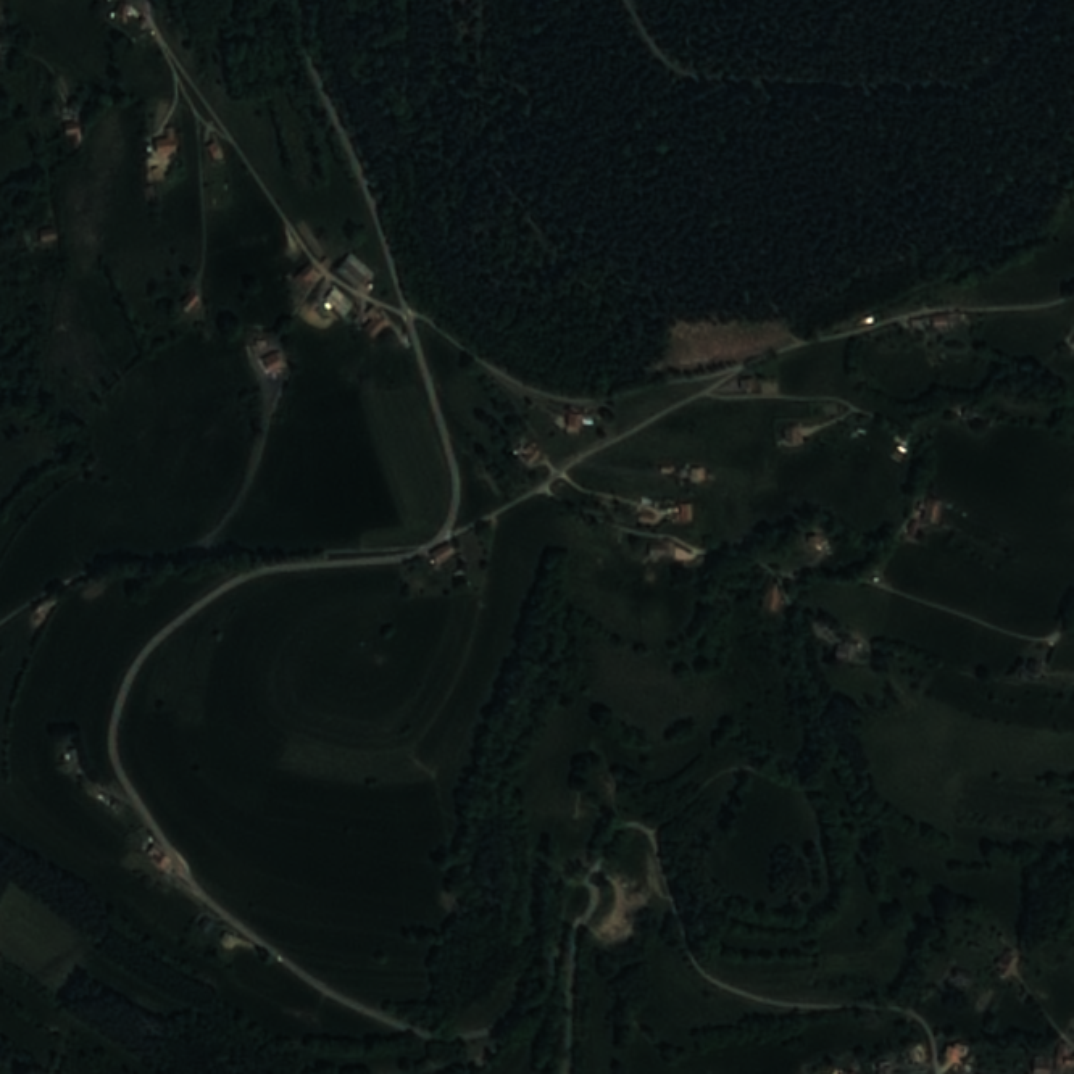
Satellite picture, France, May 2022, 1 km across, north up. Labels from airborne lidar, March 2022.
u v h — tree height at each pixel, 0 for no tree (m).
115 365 0
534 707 20
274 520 0
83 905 25
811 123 30
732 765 0
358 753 0
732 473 0
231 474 0
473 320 18
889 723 0
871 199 29
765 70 25
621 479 0
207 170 0
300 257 0
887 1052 16
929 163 27
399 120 26
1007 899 0
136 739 0
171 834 0
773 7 28
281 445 0
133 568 19
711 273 27
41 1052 0
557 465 0
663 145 24
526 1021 19
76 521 0
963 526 0
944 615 0
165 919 0
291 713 0
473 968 17
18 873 22
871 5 25
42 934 0
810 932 19
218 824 0
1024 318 0
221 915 0
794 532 25
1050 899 24
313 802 0
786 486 0
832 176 26
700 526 0
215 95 0
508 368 17
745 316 31
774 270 30
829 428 0
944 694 0
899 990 16
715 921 17
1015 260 27
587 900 0
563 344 10
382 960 10
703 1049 11
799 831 0
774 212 26
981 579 0
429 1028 7
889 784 0
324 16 25
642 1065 0
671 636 0
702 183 24
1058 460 0
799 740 0
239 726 0
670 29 21
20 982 9
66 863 0
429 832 0
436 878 0
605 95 21
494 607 0
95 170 0
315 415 0
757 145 29
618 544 0
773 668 0
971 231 24
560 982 10
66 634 0
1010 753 0
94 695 0
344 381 0
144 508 0
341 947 0
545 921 24
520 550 0
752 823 0
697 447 0
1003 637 0
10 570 0
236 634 0
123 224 0
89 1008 28
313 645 0
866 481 0
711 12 16
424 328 0
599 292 9
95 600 0
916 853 0
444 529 0
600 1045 0
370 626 0
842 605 0
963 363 0
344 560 0
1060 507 0
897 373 0
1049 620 0
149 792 0
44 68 0
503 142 11
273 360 0
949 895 22
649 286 25
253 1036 11
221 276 0
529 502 0
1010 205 28
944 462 0
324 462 0
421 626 0
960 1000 23
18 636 0
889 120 26
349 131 15
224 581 0
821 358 0
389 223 8
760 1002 0
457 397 0
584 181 25
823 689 26
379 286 0
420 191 21
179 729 0
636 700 0
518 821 19
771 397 0
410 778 0
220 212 0
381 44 18
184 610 0
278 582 0
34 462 0
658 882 0
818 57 28
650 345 18
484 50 11
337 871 0
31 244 0
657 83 23
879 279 10
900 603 0
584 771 20
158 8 13
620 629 0
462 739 0
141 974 15
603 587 0
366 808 0
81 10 0
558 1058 19
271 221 0
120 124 0
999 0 26
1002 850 14
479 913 17
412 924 0
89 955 0
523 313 13
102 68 0
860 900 0
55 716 0
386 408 0
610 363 15
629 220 26
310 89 17
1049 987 0
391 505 0
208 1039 10
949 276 14
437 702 0
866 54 26
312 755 0
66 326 0
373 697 0
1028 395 16
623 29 22
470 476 0
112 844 0
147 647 0
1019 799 0
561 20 23
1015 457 0
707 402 0
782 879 13
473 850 16
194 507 0
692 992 0
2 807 0
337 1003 0
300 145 0
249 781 0
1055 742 0
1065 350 10
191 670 0
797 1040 17
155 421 0
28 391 21
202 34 17
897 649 11
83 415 0
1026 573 0
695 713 0
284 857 0
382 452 0
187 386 0
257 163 0
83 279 0
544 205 24
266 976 0
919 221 25
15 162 0
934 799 0
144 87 0
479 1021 0
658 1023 0
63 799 0
